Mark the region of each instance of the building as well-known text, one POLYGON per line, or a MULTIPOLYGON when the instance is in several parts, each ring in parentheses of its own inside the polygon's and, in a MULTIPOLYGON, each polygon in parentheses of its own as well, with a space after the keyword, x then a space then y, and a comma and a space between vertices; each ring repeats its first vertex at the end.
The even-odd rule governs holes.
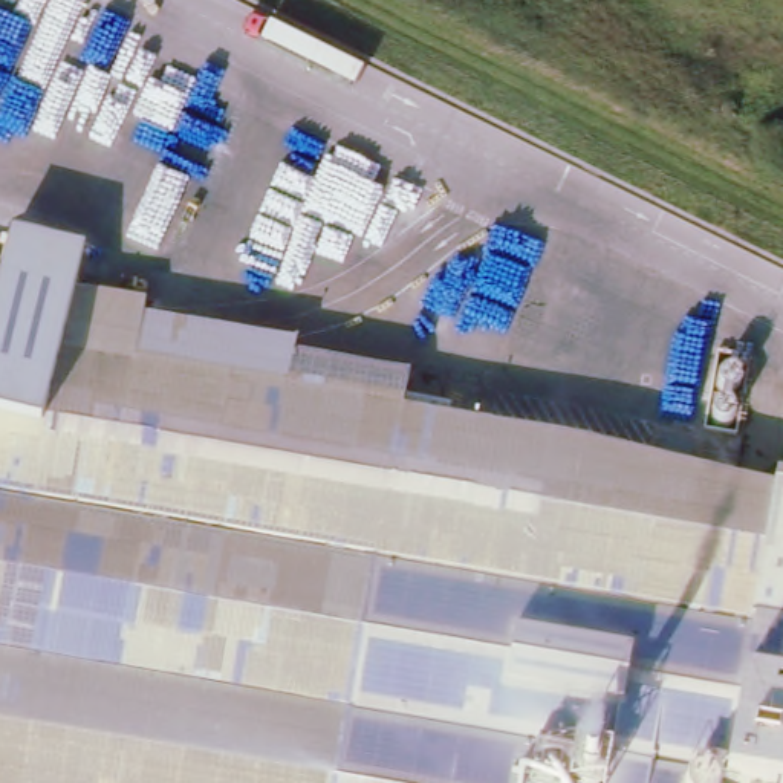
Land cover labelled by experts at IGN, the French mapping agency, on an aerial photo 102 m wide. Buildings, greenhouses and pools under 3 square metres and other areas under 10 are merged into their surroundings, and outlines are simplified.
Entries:
POLYGON ((774 474, 768 474, 587 428, 499 416, 480 407, 462 410, 431 404, 422 395, 407 392, 407 364, 300 346, 294 330, 153 309, 147 306, 147 297, 141 291, 83 284, 76 272, 86 251, 86 239, 80 232, 21 220, 15 229, 0 232, 0 783, 783 783, 783 462, 774 474))

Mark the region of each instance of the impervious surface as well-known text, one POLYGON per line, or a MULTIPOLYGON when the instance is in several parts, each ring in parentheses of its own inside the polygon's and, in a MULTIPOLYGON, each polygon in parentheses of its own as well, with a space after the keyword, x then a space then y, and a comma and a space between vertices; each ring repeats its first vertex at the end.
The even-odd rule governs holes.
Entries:
POLYGON ((147 297, 147 306, 153 309, 294 330, 300 346, 407 364, 407 392, 422 395, 431 404, 462 410, 480 407, 499 416, 587 428, 768 474, 774 474, 783 462, 783 257, 737 239, 725 226, 707 223, 664 199, 655 199, 648 190, 633 187, 578 156, 569 156, 557 144, 526 135, 517 125, 483 113, 480 107, 456 95, 440 92, 437 86, 407 76, 388 61, 361 61, 281 18, 260 15, 260 0, 0 0, 0 232, 15 229, 21 220, 80 232, 86 239, 86 251, 76 272, 83 284, 141 291, 147 297))

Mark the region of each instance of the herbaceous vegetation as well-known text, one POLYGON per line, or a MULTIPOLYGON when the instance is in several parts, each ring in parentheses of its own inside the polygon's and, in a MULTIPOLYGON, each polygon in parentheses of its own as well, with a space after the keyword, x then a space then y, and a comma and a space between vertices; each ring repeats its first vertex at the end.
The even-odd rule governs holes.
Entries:
POLYGON ((667 9, 673 15, 670 37, 676 49, 725 61, 728 70, 743 76, 743 107, 737 107, 743 116, 755 116, 762 122, 768 110, 783 107, 783 0, 651 0, 658 9, 667 9))
POLYGON ((725 226, 737 239, 783 257, 783 180, 755 171, 746 159, 719 150, 713 141, 685 135, 670 119, 633 113, 633 107, 621 104, 615 95, 599 92, 590 83, 578 83, 575 76, 563 73, 547 61, 538 61, 526 52, 489 40, 483 31, 465 24, 459 12, 447 12, 443 6, 428 0, 260 0, 260 15, 281 18, 361 61, 388 61, 407 76, 437 86, 440 92, 456 95, 480 107, 483 113, 517 125, 526 135, 557 144, 569 156, 578 156, 633 187, 648 190, 655 199, 664 199, 707 223, 725 226))

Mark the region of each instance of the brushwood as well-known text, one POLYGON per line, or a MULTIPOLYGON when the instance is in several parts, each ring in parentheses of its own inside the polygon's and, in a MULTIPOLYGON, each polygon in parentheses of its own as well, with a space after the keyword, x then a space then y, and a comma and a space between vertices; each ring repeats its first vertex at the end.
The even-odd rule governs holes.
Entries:
POLYGON ((489 40, 526 52, 538 61, 547 61, 563 73, 575 76, 578 83, 590 83, 599 92, 615 95, 621 104, 633 107, 633 113, 670 119, 685 135, 713 141, 719 150, 746 159, 755 171, 783 180, 783 107, 768 110, 762 122, 755 116, 743 116, 737 107, 743 107, 743 76, 728 70, 725 61, 676 49, 670 37, 673 15, 667 9, 658 9, 651 0, 428 0, 443 6, 447 12, 459 12, 465 24, 483 31, 489 40))

